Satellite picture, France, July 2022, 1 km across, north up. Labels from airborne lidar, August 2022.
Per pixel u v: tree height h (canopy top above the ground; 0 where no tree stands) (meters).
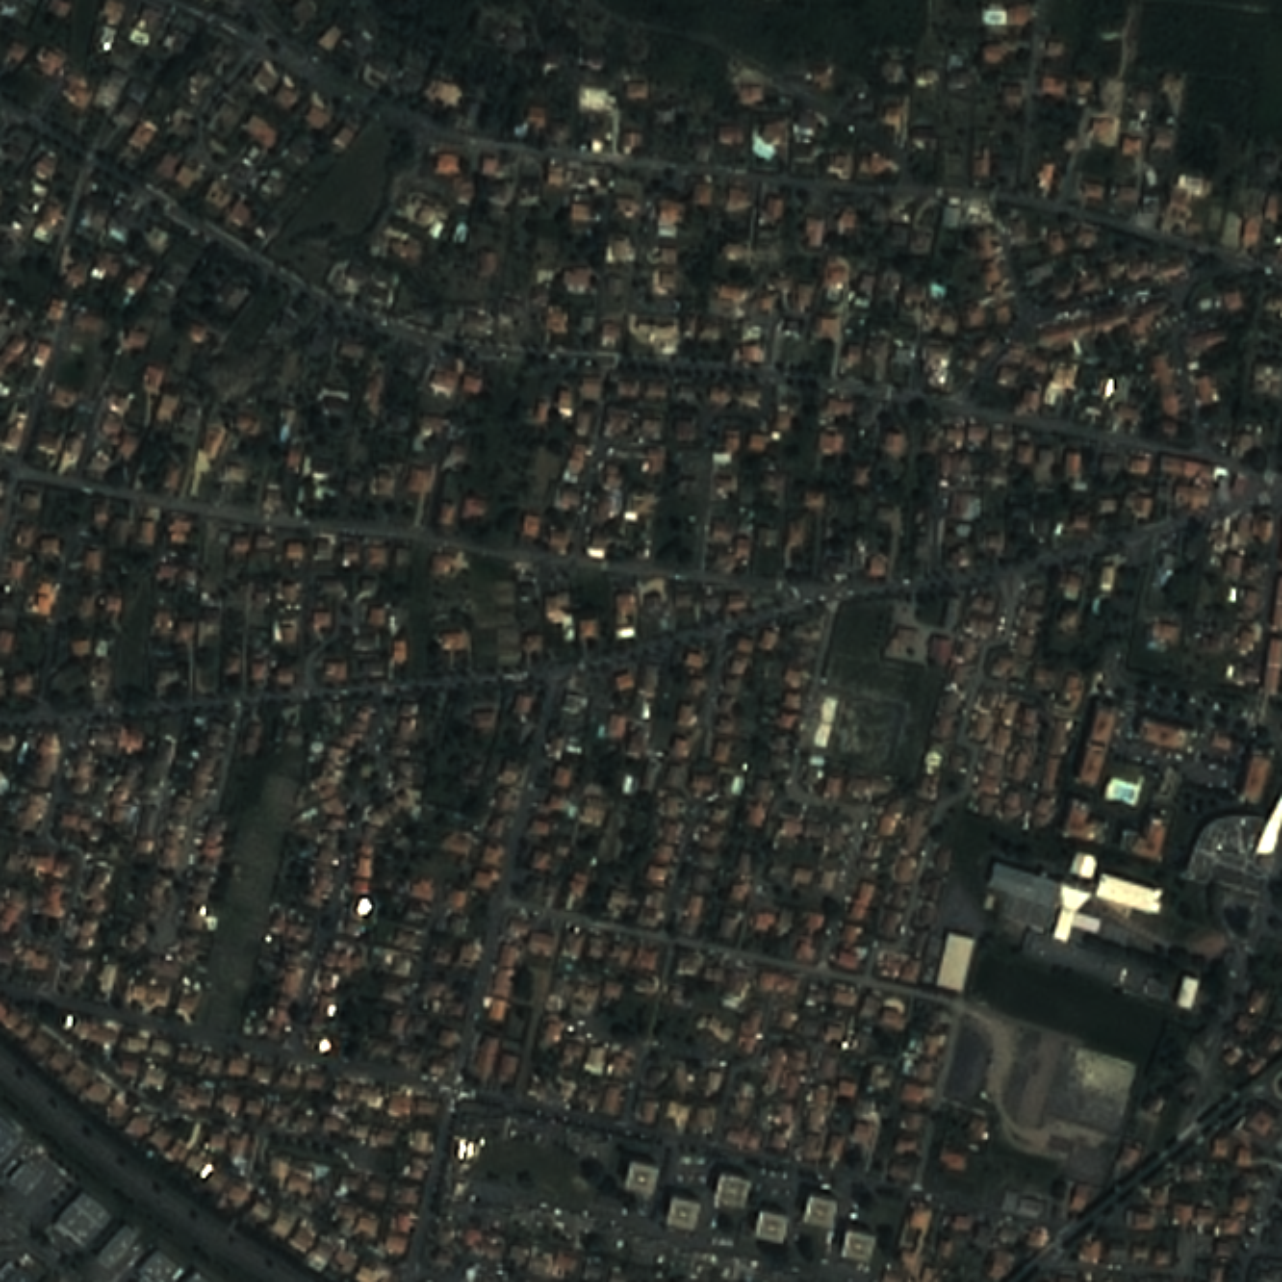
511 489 5
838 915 12
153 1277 0
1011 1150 0
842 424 11
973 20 0
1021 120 8
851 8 9
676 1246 0
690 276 8
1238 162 0
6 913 0
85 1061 7
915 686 0
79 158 9
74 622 8
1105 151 0
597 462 0
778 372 9
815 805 0
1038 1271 7
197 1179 7
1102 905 0
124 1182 0
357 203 0
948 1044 0
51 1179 0
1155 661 0
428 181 0
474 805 13
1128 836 0
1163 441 8
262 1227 6
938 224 7
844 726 0
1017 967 0
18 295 9
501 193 0
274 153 13
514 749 7
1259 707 0
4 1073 0
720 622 6
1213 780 0
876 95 5
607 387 11
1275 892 13
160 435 8
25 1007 7
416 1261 0
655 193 8
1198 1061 0
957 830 0
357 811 9
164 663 6
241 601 0
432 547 0
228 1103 0
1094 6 6
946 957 0
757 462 9
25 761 9
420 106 6
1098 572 7
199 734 8
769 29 8
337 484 11
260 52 0
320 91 0
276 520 0
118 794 0
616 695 7
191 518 7
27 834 10
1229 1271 7
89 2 0
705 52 6
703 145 0
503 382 0
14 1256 0
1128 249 7
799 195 10
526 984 13
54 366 0
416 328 6
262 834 0
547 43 10
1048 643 9
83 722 6
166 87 10
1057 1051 0
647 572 0
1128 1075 0
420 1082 0
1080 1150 0
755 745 7
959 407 0
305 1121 0
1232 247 0
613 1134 6
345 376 7
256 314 0
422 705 7
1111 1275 0
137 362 9
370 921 7
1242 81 6
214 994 0
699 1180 0
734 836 5
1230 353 10
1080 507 6
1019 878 0
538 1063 5
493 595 0
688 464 0
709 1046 0
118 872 0
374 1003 7
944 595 6
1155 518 6
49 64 0
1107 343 9
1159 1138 0
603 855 0
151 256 8
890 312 6
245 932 0
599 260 10
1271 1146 0
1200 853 0
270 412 6
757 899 0
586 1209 0
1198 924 0
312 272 0
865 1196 22
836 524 6
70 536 0
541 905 0
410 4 7
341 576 9
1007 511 11
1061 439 7
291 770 0
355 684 7
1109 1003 0
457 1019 6
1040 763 6
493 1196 0
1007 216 8
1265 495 0
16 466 0
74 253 6
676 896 0
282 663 5
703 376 7
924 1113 6
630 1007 0
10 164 7
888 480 8
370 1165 0
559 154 0
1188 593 9
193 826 0
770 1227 0
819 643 0
